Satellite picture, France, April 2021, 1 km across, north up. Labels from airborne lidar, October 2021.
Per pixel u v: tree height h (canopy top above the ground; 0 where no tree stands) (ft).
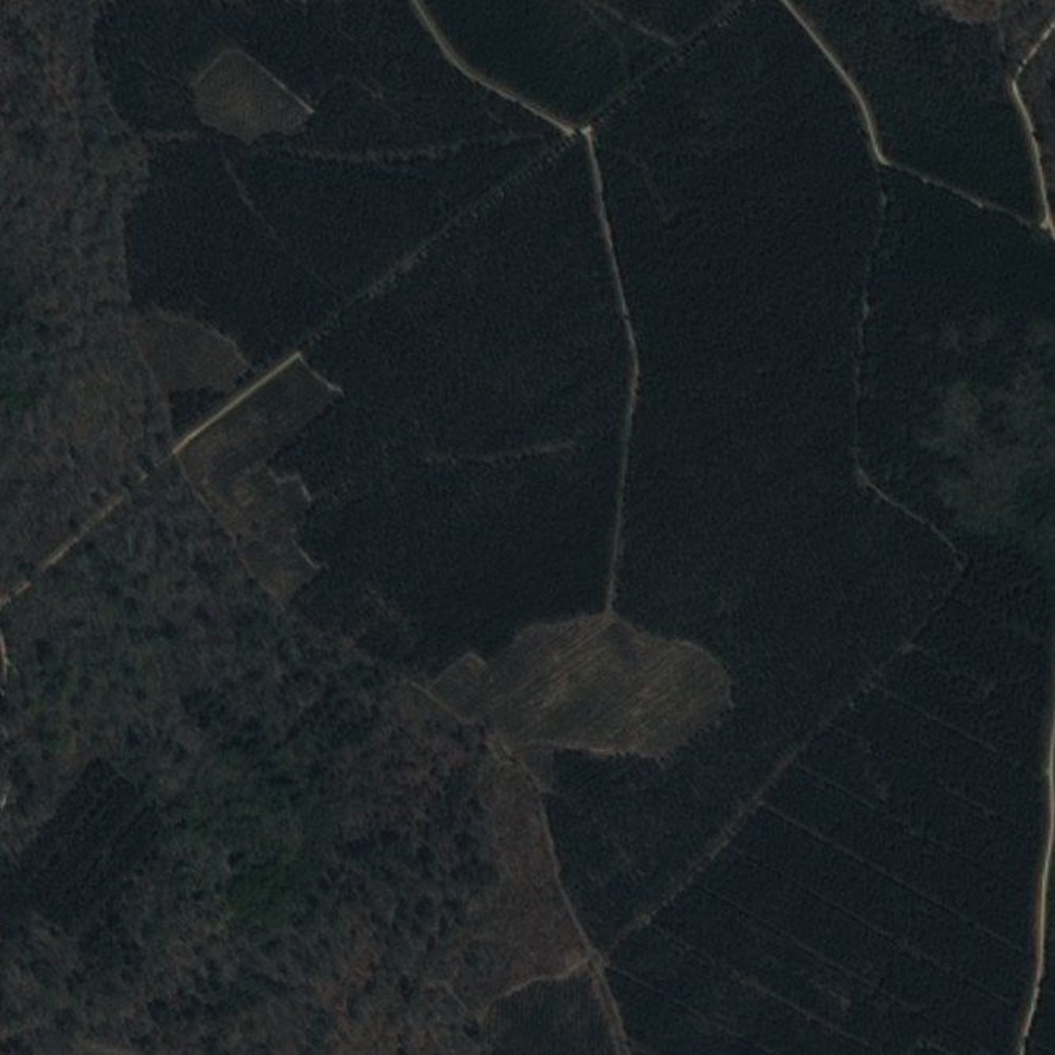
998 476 47
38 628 38
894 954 43
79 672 45
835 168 40
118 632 40
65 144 37
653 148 30
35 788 39
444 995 27
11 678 31
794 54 40
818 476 37
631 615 32
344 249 43
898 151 39
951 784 34
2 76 24
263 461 24
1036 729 40
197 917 68
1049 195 29
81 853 37
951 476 44
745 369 39
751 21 41
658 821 30
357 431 44
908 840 51
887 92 35
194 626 58
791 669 41
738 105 29
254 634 101
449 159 39
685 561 29
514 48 40
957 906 47
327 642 38
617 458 32
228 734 63
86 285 47
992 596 43
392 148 45
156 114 43
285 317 47
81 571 71
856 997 29
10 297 21
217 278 44
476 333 35
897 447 44
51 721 57
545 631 0
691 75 38
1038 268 58
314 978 63
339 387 38
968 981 44
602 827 25
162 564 60
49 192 23
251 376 28
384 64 41
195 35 36
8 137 32
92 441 49
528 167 42
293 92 35
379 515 37
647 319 37
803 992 35
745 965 31
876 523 32
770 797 28
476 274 36
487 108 35
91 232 36
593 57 32
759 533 34
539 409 34
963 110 34
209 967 52
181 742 44
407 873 74
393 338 45
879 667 37
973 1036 39
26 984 44
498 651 35
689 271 42
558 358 30
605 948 28
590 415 28
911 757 41
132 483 35
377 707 28
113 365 61
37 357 35
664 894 32
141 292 44
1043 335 41
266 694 38
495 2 41
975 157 44
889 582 35
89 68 33
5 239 34
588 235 36
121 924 47
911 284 49
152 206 40
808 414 39
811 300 36
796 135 38
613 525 33
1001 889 47
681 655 0
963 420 55
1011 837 39
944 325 48
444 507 38
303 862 32
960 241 52
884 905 41
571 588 39
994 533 44
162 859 25
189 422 34
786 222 41
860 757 32
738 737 32
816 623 44
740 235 37
